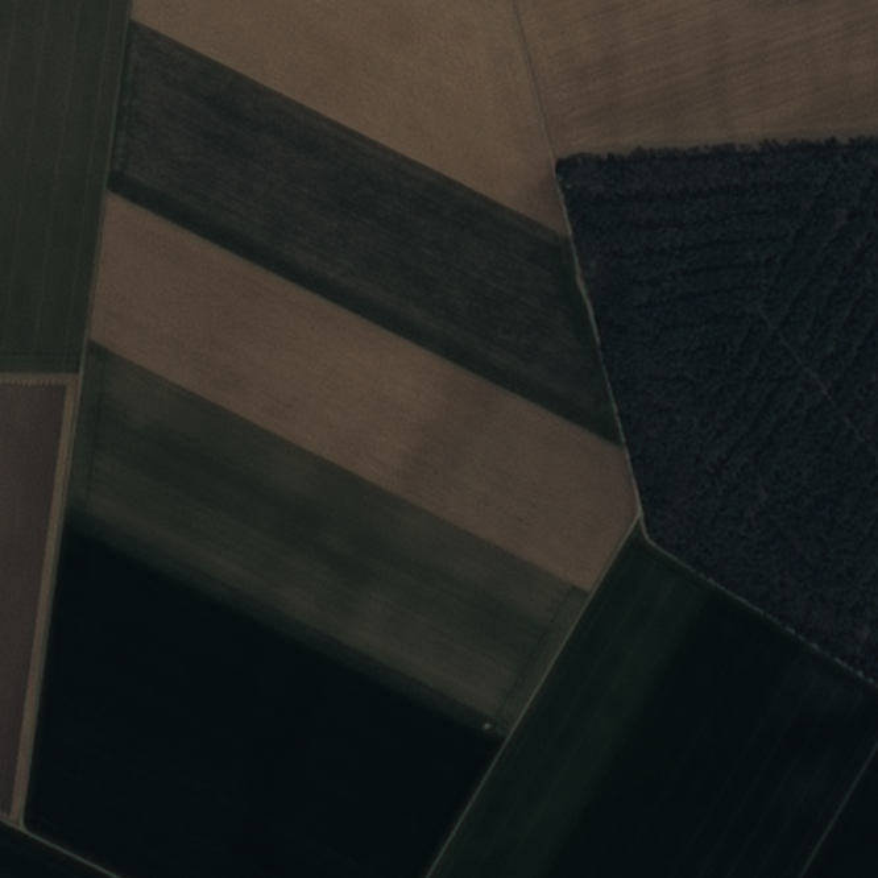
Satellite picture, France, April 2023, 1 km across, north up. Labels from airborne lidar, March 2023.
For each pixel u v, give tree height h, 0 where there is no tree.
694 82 0
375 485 0
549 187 0
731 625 0
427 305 0
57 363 0
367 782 0
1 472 0
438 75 0
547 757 0
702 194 17
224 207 0
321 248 0
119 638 0
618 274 16
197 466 0
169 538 0
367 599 0
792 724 0
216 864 0
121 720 0
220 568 0
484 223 0
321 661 0
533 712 0
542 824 0
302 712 0
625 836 0
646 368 14
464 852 0
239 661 0
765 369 12
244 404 0
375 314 0
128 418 0
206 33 0
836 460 15
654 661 0
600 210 16
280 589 0
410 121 0
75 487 0
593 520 0
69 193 0
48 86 0
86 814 0
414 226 0
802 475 14
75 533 0
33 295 0
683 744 0
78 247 0
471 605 0
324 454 0
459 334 0
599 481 0
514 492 0
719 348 14
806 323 15
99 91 0
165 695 0
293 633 0
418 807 0
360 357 0
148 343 0
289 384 0
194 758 0
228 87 0
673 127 0
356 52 0
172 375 0
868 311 15
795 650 0
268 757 0
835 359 10
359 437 0
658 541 14
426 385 0
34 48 0
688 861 0
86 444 0
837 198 10
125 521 0
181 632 0
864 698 0
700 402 14
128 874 0
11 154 0
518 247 0
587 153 0
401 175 0
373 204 0
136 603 0
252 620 0
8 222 0
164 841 0
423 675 0
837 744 0
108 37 0
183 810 0
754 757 0
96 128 0
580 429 0
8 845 0
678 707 0
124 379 0
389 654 0
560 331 0
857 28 0
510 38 0
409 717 0
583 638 0
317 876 0
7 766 0
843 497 13
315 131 0
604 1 0
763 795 0
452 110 0
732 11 0
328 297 0
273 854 0
